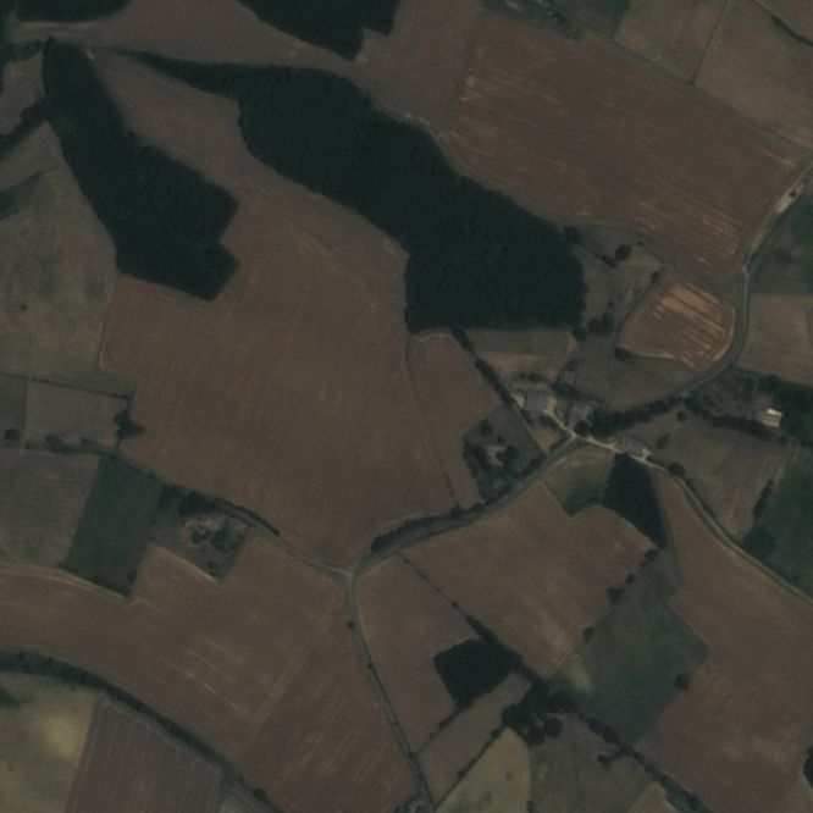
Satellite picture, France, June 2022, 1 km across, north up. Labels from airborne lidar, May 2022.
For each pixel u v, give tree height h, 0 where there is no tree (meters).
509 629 0
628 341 0
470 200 19
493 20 0
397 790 0
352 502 0
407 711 0
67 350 0
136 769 0
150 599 0
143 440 0
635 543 0
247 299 0
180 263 18
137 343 0
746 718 0
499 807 0
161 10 0
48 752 0
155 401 0
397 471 0
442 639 0
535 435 0
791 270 0
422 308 16
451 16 0
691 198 0
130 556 0
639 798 0
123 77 0
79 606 0
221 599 0
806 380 0
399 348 0
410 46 0
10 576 0
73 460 0
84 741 0
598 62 0
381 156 14
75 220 0
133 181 15
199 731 0
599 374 0
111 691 7
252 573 0
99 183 14
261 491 0
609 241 0
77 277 0
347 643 0
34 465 0
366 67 0
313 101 22
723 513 0
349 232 0
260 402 0
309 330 0
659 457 0
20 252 0
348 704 0
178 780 0
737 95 0
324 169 19
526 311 16
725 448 0
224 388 0
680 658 0
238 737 0
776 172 0
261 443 0
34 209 0
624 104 0
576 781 0
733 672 0
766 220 0
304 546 0
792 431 8
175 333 0
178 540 0
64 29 0
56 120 13
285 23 10
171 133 0
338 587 0
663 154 0
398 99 0
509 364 0
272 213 0
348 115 22
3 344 0
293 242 0
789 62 0
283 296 0
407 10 0
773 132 0
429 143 20
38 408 0
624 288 0
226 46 0
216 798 0
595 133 0
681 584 0
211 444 0
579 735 0
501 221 23
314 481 0
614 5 0
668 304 0
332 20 17
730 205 0
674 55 0
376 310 0
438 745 0
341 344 0
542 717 12
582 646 0
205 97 0
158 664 0
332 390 0
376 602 0
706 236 0
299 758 0
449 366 0
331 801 0
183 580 0
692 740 0
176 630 0
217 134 0
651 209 0
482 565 0
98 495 0
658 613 0
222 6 0
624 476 14
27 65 0
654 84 0
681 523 0
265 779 0
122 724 0
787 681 0
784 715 0
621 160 0
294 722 0
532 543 0
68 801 0
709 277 0
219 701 0
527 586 0
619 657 0
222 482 0
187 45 0
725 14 0
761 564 0
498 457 9
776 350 0
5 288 0
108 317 0
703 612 0
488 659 19
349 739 0
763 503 12
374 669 6
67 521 0
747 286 0
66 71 18
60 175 0
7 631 0
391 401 0
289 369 0
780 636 0
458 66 0
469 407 0
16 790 0
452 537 0
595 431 15
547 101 0
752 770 0
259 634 0
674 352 0
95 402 0
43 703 0
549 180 0
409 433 0
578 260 16
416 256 14
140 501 0
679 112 0
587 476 0
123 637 0
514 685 0
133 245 14
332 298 0
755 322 0
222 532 7
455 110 0
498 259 19
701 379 0
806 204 0
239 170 0
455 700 10
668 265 0
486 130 0
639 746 0
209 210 15
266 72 11
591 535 0
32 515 0
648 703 0
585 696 0
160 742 0
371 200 12
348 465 0
